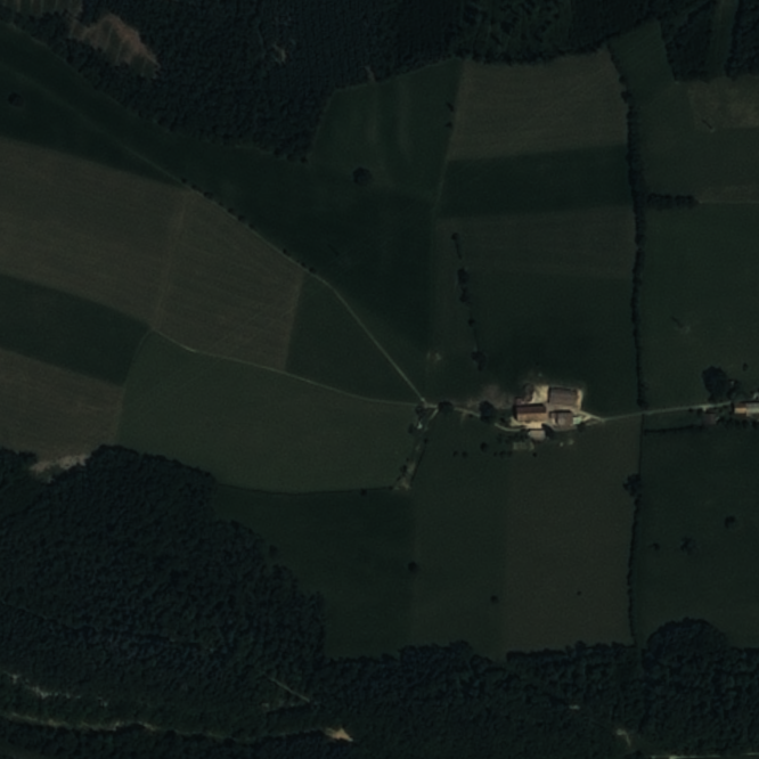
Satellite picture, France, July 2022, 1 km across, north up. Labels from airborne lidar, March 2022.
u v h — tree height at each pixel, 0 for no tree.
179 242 0
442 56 10
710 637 28
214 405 0
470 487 0
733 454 0
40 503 14
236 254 0
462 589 0
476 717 23
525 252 0
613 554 0
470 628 0
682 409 0
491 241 0
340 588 0
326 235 0
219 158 0
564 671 30
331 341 0
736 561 0
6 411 0
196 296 0
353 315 0
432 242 0
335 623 0
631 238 0
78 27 17
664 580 0
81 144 0
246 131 19
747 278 0
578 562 0
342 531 0
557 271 0
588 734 15
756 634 0
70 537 19
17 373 0
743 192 0
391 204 0
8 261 0
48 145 0
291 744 22
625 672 8
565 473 0
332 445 0
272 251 0
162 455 0
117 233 0
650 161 0
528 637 0
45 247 0
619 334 0
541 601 0
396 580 0
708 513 0
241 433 0
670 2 16
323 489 0
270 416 0
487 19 35
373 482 0
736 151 0
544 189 0
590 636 0
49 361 0
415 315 0
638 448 0
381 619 0
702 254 0
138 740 26
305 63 15
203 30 20
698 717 19
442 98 0
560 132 0
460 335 0
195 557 25
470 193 0
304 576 0
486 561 0
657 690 28
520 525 0
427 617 0
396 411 0
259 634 27
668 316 0
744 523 0
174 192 0
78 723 29
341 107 0
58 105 0
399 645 0
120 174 0
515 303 0
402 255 0
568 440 0
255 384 0
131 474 15
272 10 13
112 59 17
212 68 19
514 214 0
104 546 25
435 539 0
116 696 14
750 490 0
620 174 0
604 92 0
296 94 14
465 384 0
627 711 9
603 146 0
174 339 0
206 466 0
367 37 13
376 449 0
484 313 0
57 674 18
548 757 21
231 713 19
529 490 0
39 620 14
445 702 28
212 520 18
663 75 0
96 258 0
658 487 0
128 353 0
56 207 0
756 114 0
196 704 9
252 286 0
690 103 0
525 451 0
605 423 0
